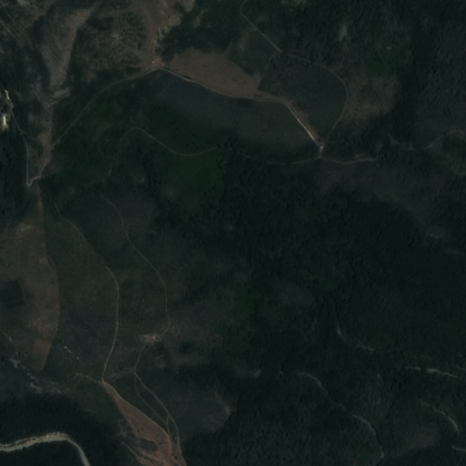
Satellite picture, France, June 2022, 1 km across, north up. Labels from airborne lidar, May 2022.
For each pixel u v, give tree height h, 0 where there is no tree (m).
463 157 7
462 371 13
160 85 0
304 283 21
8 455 10
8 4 0
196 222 13
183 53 0
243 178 11
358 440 8
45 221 0
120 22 0
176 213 9
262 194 6
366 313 22
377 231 16
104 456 14
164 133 0
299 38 6
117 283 0
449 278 21
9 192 12
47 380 0
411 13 12
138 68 0
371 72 0
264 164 7
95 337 0
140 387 0
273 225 15
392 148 9
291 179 9
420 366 9
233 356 6
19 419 9
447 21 14
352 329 8
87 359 0
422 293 23
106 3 0
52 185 6
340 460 7
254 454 6
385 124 6
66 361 0
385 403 6
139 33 0
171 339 0
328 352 21
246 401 23
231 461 7
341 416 15
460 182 7
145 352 0
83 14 0
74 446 12
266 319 8
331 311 25
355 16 7
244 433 13
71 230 0
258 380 14
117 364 0
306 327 7
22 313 0
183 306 0
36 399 9
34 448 16
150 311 7
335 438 10
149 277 0
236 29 0
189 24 0
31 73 0
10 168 15
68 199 6
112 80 0
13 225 0
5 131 11
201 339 0
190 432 0
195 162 0
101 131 0
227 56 0
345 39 6
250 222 16
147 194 6
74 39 0
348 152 7
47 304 0
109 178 6
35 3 0
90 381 0
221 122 0
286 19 10
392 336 13
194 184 0
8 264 0
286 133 0
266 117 0
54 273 0
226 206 8
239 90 0
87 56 0
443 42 10
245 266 7
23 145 7
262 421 11
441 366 13
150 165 9
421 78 9
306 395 13
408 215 6
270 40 0
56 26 0
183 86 0
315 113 0
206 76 0
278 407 10
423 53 17
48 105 0
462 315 21
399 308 20
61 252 0
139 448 0
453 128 0
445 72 7
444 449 15
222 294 9
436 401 11
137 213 0
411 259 24
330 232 13
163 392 0
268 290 6
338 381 9
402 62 7
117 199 0
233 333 7
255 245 11
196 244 7
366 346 10
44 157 0
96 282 0
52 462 17
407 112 15
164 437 0
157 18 0
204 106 0
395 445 7
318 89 0
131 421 0
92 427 14
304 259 20
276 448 8
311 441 10
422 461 6
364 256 14
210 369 13
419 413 8
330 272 10
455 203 8
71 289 0
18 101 10
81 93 0
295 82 0
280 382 17
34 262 0
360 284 21
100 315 0
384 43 7
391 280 20
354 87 0
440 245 10
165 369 11
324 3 9
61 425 19
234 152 8
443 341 17
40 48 0
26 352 0
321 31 10
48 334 0
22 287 0
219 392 9
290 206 15
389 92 0
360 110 0
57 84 0
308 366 15
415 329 18
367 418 7
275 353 16
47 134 0
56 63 0
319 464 13
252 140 0
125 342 0
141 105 0
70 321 0
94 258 0
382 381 12
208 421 0
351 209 16
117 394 0
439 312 19
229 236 15
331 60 7
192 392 0
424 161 6
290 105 0
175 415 0
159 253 0
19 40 0
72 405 9
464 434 12
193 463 9
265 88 0
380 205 13
